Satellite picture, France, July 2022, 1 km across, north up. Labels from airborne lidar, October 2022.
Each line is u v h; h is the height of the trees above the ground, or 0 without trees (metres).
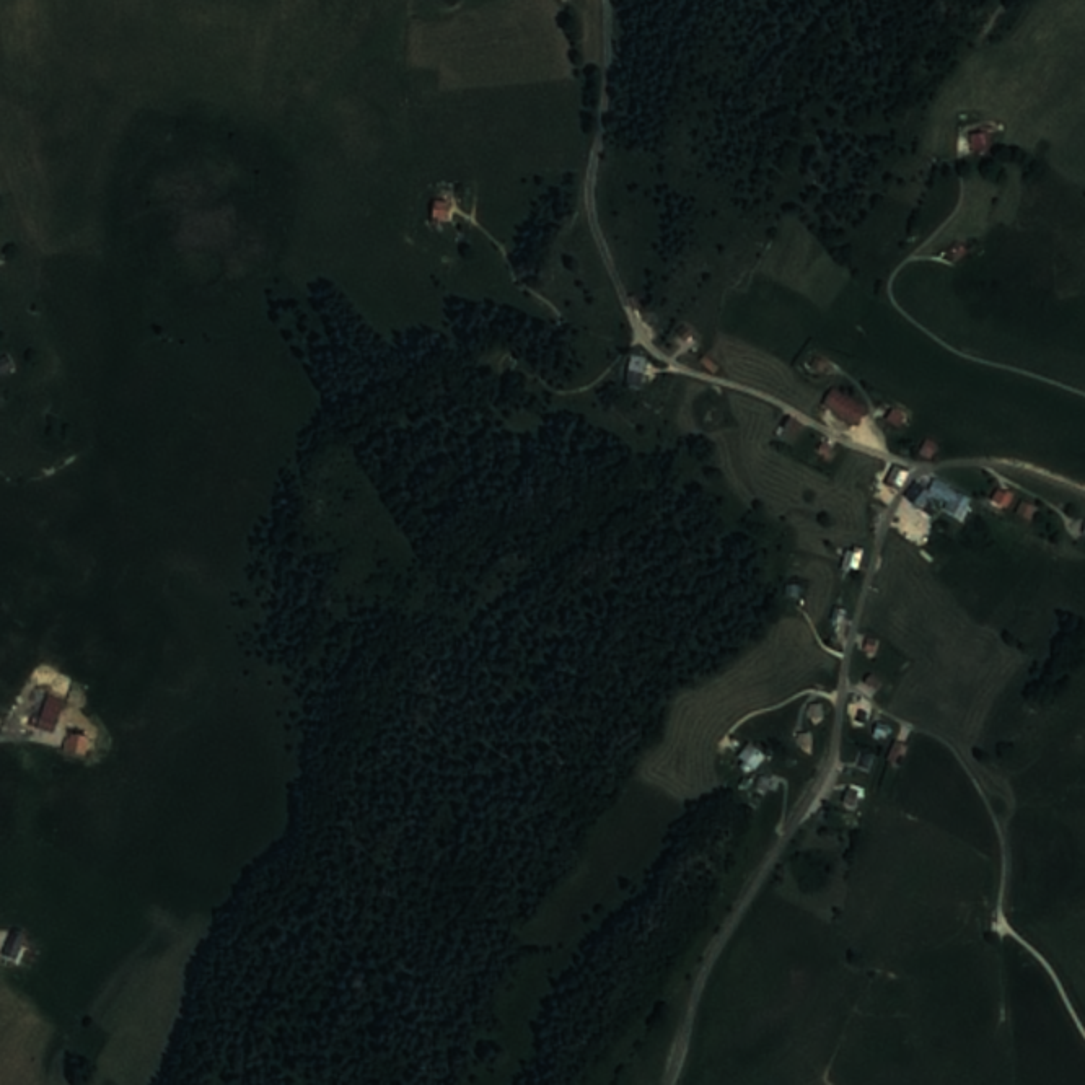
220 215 0
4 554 0
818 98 10
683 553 28
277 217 0
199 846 0
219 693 0
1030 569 0
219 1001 24
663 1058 0
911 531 0
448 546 19
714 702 0
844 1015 0
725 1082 0
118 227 0
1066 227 0
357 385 30
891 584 0
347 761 23
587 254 0
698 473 0
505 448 25
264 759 0
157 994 0
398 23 0
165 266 0
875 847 0
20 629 0
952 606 0
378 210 0
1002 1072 0
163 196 0
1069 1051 0
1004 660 0
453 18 0
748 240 0
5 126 0
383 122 0
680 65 15
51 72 0
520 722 21
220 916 12
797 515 0
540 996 0
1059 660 16
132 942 0
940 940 0
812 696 0
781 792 0
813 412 0
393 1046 28
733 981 0
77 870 0
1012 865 0
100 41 0
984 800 0
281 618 16
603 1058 20
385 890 20
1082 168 0
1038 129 0
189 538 0
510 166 0
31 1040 0
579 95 0
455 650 9
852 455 0
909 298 0
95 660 0
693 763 0
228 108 0
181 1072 23
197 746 0
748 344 0
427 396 17
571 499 16
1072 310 0
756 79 15
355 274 0
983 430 0
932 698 0
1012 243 0
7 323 0
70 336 0
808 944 0
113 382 0
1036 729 0
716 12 13
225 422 0
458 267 0
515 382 16
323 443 11
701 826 12
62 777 0
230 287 0
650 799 0
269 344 0
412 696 13
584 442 21
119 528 0
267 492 0
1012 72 0
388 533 0
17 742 0
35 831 0
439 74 0
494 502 33
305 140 0
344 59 0
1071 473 0
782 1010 0
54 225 0
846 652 0
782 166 12
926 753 0
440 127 0
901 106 16
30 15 0
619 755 24
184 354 0
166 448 0
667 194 10
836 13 12
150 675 0
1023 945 0
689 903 21
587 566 21
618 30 0
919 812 0
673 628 27
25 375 0
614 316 0
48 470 0
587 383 0
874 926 0
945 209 0
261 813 0
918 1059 0
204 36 0
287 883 20
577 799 15
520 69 0
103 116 0
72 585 0
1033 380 0
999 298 0
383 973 15
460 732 24
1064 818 0
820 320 0
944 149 0
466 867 14
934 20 17
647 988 20
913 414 0
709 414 0
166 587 0
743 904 0
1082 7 0
